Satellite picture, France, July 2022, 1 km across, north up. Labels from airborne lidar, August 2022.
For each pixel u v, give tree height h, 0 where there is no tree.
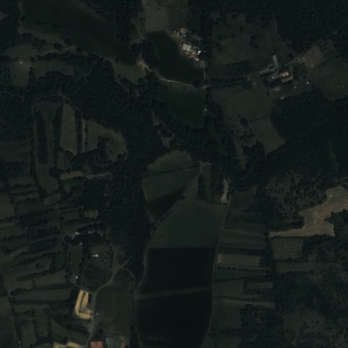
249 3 18
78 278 7
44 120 10
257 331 8
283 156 19
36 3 0
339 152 14
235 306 0
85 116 8
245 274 0
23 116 8
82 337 0
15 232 0
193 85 10
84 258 8
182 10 0
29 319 0
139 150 15
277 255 0
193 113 0
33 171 9
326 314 6
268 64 0
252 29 0
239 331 6
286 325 0
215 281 6
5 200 0
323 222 0
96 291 0
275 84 11
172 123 23
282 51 0
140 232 12
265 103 0
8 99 8
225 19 9
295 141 15
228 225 0
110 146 0
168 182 0
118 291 0
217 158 20
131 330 11
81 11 0
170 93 0
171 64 0
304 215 0
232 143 19
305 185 8
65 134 0
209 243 0
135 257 8
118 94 16
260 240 0
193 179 0
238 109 0
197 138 25
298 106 13
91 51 0
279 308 8
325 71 0
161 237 0
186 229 0
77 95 13
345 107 12
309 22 9
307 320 0
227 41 0
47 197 7
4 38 15
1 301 0
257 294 8
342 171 11
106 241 7
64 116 0
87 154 6
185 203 0
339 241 6
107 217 10
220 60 0
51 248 9
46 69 0
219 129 24
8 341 0
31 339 0
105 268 0
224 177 6
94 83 18
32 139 7
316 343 0
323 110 12
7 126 7
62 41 0
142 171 10
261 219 6
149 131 10
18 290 6
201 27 11
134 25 11
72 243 9
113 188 8
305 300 6
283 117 10
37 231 8
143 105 18
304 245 6
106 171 7
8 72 6
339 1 13
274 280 6
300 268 0
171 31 0
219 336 0
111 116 15
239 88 0
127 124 15
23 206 0
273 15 12
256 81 0
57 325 0
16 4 13
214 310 0
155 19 0
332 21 8
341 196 0
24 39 10
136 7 9
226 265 0
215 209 0
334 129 10
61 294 0
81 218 10
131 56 0
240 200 0
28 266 0
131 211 9
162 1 0
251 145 0
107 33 0
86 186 9
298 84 0
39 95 8
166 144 0
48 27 0
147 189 0
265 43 0
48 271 9
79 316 0
